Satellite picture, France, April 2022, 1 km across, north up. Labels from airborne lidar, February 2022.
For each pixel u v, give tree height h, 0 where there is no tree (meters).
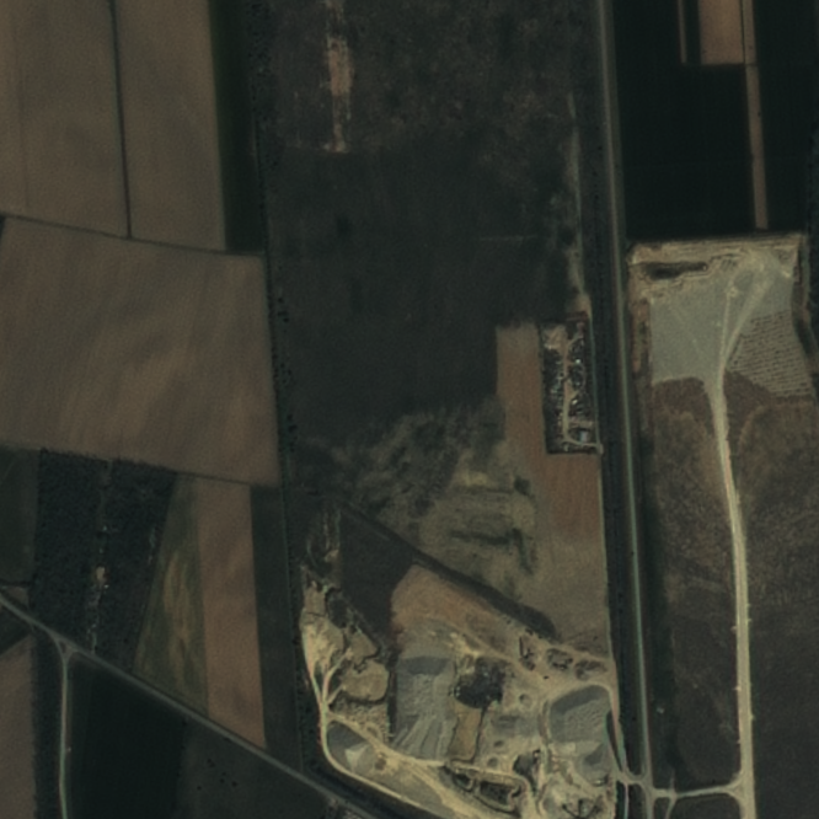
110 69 0
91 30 0
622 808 8
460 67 0
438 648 0
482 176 0
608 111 0
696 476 0
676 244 0
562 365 0
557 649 0
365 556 0
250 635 0
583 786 0
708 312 0
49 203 0
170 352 0
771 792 0
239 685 0
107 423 0
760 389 0
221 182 0
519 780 0
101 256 0
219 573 0
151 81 0
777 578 0
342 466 0
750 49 0
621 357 0
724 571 0
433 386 0
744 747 0
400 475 0
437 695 0
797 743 0
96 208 0
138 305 0
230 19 0
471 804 0
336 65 0
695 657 0
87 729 0
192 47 0
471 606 0
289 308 0
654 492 0
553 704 0
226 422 0
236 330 0
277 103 0
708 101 0
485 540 0
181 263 0
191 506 0
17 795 0
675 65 0
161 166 0
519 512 0
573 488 0
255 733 0
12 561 0
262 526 0
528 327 0
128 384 0
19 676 0
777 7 0
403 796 0
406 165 0
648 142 0
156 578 0
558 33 0
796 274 0
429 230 0
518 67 0
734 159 0
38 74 0
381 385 0
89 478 10
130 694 0
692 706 0
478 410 0
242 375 0
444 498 0
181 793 0
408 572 0
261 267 0
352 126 0
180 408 0
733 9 0
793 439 0
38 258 0
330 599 0
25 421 0
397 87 0
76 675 0
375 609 0
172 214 0
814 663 0
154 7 0
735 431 0
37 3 0
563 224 0
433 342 0
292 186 0
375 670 0
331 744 0
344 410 0
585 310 0
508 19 0
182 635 0
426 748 0
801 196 0
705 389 0
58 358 0
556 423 0
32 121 0
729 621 0
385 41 0
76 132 0
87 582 11
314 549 0
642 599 0
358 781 0
